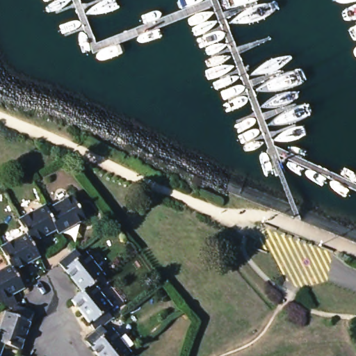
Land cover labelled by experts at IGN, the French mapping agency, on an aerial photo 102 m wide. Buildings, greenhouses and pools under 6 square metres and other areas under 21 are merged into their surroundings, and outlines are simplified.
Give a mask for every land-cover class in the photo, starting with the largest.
<instances>
[{"label":"water","instance_id":"1","mask_svg":"<svg viewBox=\"0 0 356 356\"><path fill-rule=\"evenodd\" d=\"M0 71L6 74L3 79L13 83L19 90L24 89L29 96L68 104L74 110H78L79 114L89 115L92 120H100L104 125L113 124L114 128L120 127L122 133H129V136H139L145 142H152L170 156L181 157L193 167L210 172L218 178H225L229 184L241 189L253 188L278 199H288L292 210L289 217H300V220H303L311 211L324 217L325 221H337L342 227L350 225L353 231L356 229V0H0Z\"/></svg>","mask_w":356,"mask_h":356},{"label":"herbaceous vegetation","instance_id":"2","mask_svg":"<svg viewBox=\"0 0 356 356\"><path fill-rule=\"evenodd\" d=\"M42 138L29 136L28 140L11 142L4 139L3 133H0V167L7 161L18 160L24 172L19 179L21 185L7 189V193L0 195V238L11 229L24 227L22 218L29 213L24 210L21 202L35 200L33 188H36L32 185L33 174L42 170L44 163L42 154L35 150L38 149L39 140ZM83 174L110 207L107 217L108 220L120 225L122 234L111 236L106 242L92 235L93 227L89 225L93 216H103L92 197L82 191L76 178L65 174L63 170L57 171V179L54 182L50 181L49 177H43V184L53 199L61 200L75 195L76 200L82 204L81 210L88 220L79 222L76 239V249H86L89 246L104 248L107 245L111 268L117 267L118 257H127V246L124 243L127 235L132 236L140 248L147 245V249L152 250L153 256L161 264L157 268L161 284L174 286L189 309L199 317V330L196 332L189 356H220L222 349L236 348V343L259 334L264 327L263 321L270 316L275 307L284 302L285 298V275L281 274L270 250L263 248L267 236L261 234L259 229L252 228L227 225L218 234L221 238L231 241L236 259L231 267L232 271L224 275H214L210 271L203 273L202 268L196 263V254L202 250L204 239L217 234L216 229L199 221L197 214L200 211L172 197L174 191L165 175H154L143 178L140 181H131L106 170L102 165L92 163L85 157L82 161ZM140 188L150 200L142 214L129 211L125 207L132 202V195ZM264 210L259 203L242 195L229 196L227 207ZM316 293L318 307L311 310L309 325L303 328L295 327L286 321L285 313L282 311L275 318L266 337L249 348L243 356H356V291L331 281L311 286ZM174 303L171 300L156 303L153 299L149 300L145 306L131 311V318L133 323L129 330L128 337L132 339V346L135 348H138L139 342L145 337L138 331V324L145 323L157 313H161V318L168 317V314L174 313ZM191 324L188 316L179 317L159 341L153 342L149 343V348L143 352L145 356H179L186 331Z\"/></svg>","mask_w":356,"mask_h":356},{"label":"impervious surface","instance_id":"3","mask_svg":"<svg viewBox=\"0 0 356 356\"><path fill-rule=\"evenodd\" d=\"M6 74L0 71V110L31 122L36 127L70 138L67 132L72 128L71 125H76L111 140L113 143L108 147L110 156L107 160L113 161L118 153H122L125 159H135L149 167L154 171V175H165L174 191L186 193L214 206L227 207L229 196L242 195L259 203L264 210L270 211L271 216L266 221L254 222L252 228L259 229L261 234L267 236L263 248L270 250L281 274L285 275V298L291 300L295 299L296 292L302 286H311L331 281L356 291V229L353 231L350 225L342 227L337 221H325L324 217L311 211L303 220H300V217H289L292 210L288 199H278L253 188L241 189L229 184L225 178H218L210 172L193 167L181 157L170 156L152 142H145L139 136H129V133H122L120 127L114 128L113 124L104 125L100 120H92L89 115L79 114L78 110H74L68 104L29 96L24 89L19 90L13 83L3 79ZM35 200L21 202L24 210L29 213L42 207L44 203L36 188H33ZM56 235H46L43 231L39 232V238L33 235L32 239L38 246L40 256L29 261L21 260L22 268L15 266V270L21 274L19 277L22 278V284L26 286L22 303H43L44 313L47 314L40 325V337L35 339L29 356H95L93 343L88 341V335L95 331V327L92 321L86 320L79 311L83 300H79L76 305L72 303V299L79 292V286L67 273L68 266L61 263L71 250L65 248L50 259L46 256V250L53 245ZM113 292L120 299L121 309L113 324L122 325L129 330L133 323L131 318L122 321V306L127 303L125 296L114 289V286Z\"/></svg>","mask_w":356,"mask_h":356},{"label":"building","instance_id":"4","mask_svg":"<svg viewBox=\"0 0 356 356\"><path fill-rule=\"evenodd\" d=\"M82 204L76 200L75 195L61 200L53 199L49 203H44L42 207L29 213L22 218L24 227L11 229L0 238V356H29L35 339L40 337V325L47 314L44 313L43 303H22L26 286L22 284V278L19 277L21 274L15 270V266L22 268L21 260L29 261L40 256L38 246L32 239L33 235L39 238V232L43 231L46 235H56L68 234L72 239H76L79 222L88 220L81 210ZM61 263L68 266L67 273L79 286V292L72 299V303L76 305L79 300H83L79 311L86 320L92 321L95 327V331L88 335V341L93 343L95 356H145L143 352L149 348V343L153 342L152 338L145 337L139 342L138 348H135L132 346V339L128 337L129 330L122 325L113 324L121 309L120 299L113 292L114 286V278L122 271L117 267L111 268L107 245L104 248L89 246L86 249H76L71 250Z\"/></svg>","mask_w":356,"mask_h":356},{"label":"brushwood","instance_id":"5","mask_svg":"<svg viewBox=\"0 0 356 356\"><path fill-rule=\"evenodd\" d=\"M0 133H3L4 139L11 142L28 140L29 136L28 133L7 127L6 122L0 120ZM72 128L67 132L70 138L78 145L86 147L95 156H102L107 160L110 156L108 147L113 143L111 140L76 125H71ZM38 149L35 150L42 154L44 163L42 170L33 174L32 185L36 188L44 203H49L53 199L43 184V177H49L50 181L54 182L57 179V171L63 170L65 174L76 178L82 191L92 197L103 216L107 217L110 207L83 174L82 161L85 157L71 147L56 145L42 138L39 140ZM113 161L135 171L143 178L154 175V171L149 167L135 159H125L122 153H118ZM199 221L216 229L217 234H218L227 225L200 211L197 214ZM65 248L71 250L76 249V239H72L68 234L56 235L53 245L46 250V256L50 259ZM124 243L127 246V257H118L117 267L122 271L114 278V289L125 296L127 303L122 306V321L131 318V311L145 306L149 300L153 299L156 303L171 300L174 303V313L168 314V317L161 318V313H157L145 323L138 324V331L145 337L152 338L153 342L159 341L179 317L188 316L191 324L186 331L179 356H189L196 332L199 330V317L189 309L174 286L161 284L157 268L161 264L153 256L152 250L147 249V245L140 248L132 236L127 235Z\"/></svg>","mask_w":356,"mask_h":356},{"label":"deciduous trees","instance_id":"6","mask_svg":"<svg viewBox=\"0 0 356 356\"><path fill-rule=\"evenodd\" d=\"M24 172L18 160L7 161L0 167V195L7 193V189L21 185L19 179ZM150 200L140 188L132 195V202L125 207L129 211L142 214ZM89 225L93 227L92 235L106 242L111 236L122 234L120 225L108 220L107 217L103 216H93ZM236 259L231 241L221 238L218 234H217L204 239L202 250L196 254V263L202 268L203 273L210 271L214 275H224L232 271L231 267ZM318 307L316 293L311 286H302L296 292L295 299L291 300L282 311L285 313L286 321L295 327L303 328L309 325L311 310Z\"/></svg>","mask_w":356,"mask_h":356},{"label":"pervious surface","instance_id":"7","mask_svg":"<svg viewBox=\"0 0 356 356\"><path fill-rule=\"evenodd\" d=\"M0 120L6 122L7 127L28 133L29 136L42 138L56 145L71 147L85 157L92 163L102 165L106 170L131 181H140L143 178L135 171L113 161L107 160L102 156H95L86 147L78 145L70 138L36 127L31 122L0 110ZM172 197L200 211L227 225L252 228L254 222L266 221L271 216L270 211L264 210L227 207L214 206L186 193L174 191ZM291 300L285 298L284 302L275 307L270 316L263 321L264 327L259 334L236 343V348L222 349L220 356H243L249 348L266 337L275 318L282 311Z\"/></svg>","mask_w":356,"mask_h":356}]
</instances>
